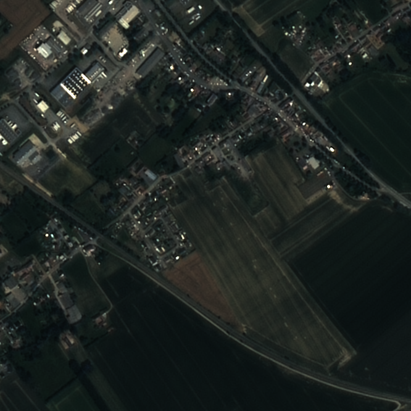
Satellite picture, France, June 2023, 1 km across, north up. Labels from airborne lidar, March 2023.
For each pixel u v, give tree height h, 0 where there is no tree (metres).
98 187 0
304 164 0
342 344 0
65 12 0
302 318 0
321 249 0
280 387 0
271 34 0
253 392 0
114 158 0
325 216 0
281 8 0
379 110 0
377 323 0
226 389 0
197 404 0
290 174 0
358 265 0
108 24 0
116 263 0
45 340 14
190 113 0
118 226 0
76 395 0
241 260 0
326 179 0
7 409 0
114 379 0
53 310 15
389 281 0
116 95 0
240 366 0
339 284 0
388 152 0
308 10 0
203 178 0
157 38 0
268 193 0
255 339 0
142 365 0
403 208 16
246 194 0
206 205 0
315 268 0
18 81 0
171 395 0
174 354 0
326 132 14
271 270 0
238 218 0
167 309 0
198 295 0
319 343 0
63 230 0
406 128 0
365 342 0
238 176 0
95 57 0
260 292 0
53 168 0
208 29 0
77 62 0
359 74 0
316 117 0
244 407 0
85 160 0
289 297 0
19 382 0
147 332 0
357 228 0
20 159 0
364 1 0
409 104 0
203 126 0
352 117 0
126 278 0
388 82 0
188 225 0
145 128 0
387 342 0
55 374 0
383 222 0
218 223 0
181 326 0
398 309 0
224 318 0
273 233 0
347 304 0
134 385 0
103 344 0
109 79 0
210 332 0
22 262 0
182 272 0
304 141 11
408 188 0
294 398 0
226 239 0
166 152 0
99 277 0
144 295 0
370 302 0
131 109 0
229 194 0
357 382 0
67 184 0
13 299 0
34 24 0
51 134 0
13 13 0
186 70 0
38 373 0
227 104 16
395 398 0
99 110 0
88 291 0
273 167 0
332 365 0
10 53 0
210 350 0
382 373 0
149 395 0
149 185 0
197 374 0
